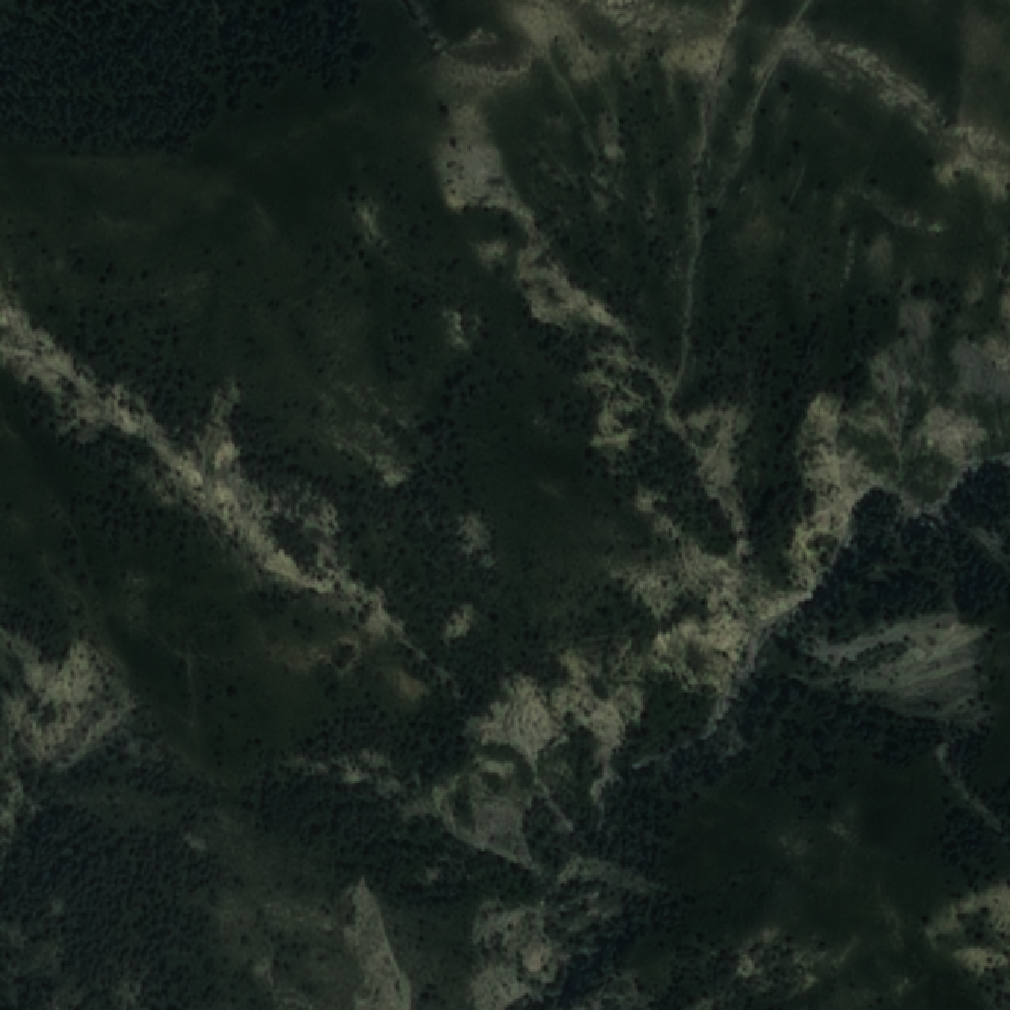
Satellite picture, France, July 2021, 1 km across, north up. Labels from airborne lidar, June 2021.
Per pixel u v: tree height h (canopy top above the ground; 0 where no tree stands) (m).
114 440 6
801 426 7
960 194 0
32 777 7
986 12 0
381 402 0
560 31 0
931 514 0
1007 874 0
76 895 11
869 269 0
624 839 8
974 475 11
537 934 0
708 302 6
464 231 0
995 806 8
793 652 18
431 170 0
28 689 9
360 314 0
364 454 0
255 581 0
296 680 0
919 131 0
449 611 7
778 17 0
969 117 0
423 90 0
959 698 0
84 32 22
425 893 19
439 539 7
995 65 0
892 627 7
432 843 12
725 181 0
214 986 9
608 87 0
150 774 9
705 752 8
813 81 0
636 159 0
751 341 12
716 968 9
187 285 0
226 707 0
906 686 0
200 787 8
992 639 11
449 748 19
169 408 10
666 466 12
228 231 0
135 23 19
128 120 21
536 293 0
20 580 0
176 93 24
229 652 0
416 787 10
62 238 0
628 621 11
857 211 0
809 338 8
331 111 0
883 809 0
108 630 0
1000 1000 7
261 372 0
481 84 0
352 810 21
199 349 0
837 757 18
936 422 0
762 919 0
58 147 0
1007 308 0
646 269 6
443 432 12
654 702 10
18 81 23
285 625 0
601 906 0
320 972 0
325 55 12
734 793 0
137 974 8
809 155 0
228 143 0
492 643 7
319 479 15
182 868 11
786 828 0
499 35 0
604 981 6
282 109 0
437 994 7
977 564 19
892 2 0
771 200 0
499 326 0
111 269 9
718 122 0
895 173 0
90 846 16
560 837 9
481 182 0
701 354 8
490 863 8
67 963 10
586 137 0
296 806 25
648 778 10
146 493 6
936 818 0
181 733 0
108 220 0
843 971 0
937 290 8
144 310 9
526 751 0
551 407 8
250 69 7
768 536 7
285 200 0
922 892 0
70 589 0
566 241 14
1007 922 0
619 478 15
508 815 0
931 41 0
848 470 0
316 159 0
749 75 0
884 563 9
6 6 24
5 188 0
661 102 0
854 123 0
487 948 12
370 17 0
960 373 7
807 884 0
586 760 11
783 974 7
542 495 0
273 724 0
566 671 7
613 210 7
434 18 0
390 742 9
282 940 9
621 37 0
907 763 7
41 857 10
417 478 10
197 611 0
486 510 7
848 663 6
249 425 12
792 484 8
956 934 0
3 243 0
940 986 0
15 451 0
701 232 0
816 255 0
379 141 0
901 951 0
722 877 0
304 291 0
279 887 6
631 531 0
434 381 0
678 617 8
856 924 0
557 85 0
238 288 0
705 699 8
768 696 15
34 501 0
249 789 10
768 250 0
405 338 12
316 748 10
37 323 7
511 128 0
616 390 6
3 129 15
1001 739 0
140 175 0
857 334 10
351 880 12
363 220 0
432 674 10
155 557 0
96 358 14
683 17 0
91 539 0
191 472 0
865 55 0
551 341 17
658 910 13
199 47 24
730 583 0
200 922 8
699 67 0
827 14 0
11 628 11
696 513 5
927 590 23
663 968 0
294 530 13
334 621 0
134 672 0
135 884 12
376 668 0
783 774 9
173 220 0
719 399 9
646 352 9
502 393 0
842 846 0
